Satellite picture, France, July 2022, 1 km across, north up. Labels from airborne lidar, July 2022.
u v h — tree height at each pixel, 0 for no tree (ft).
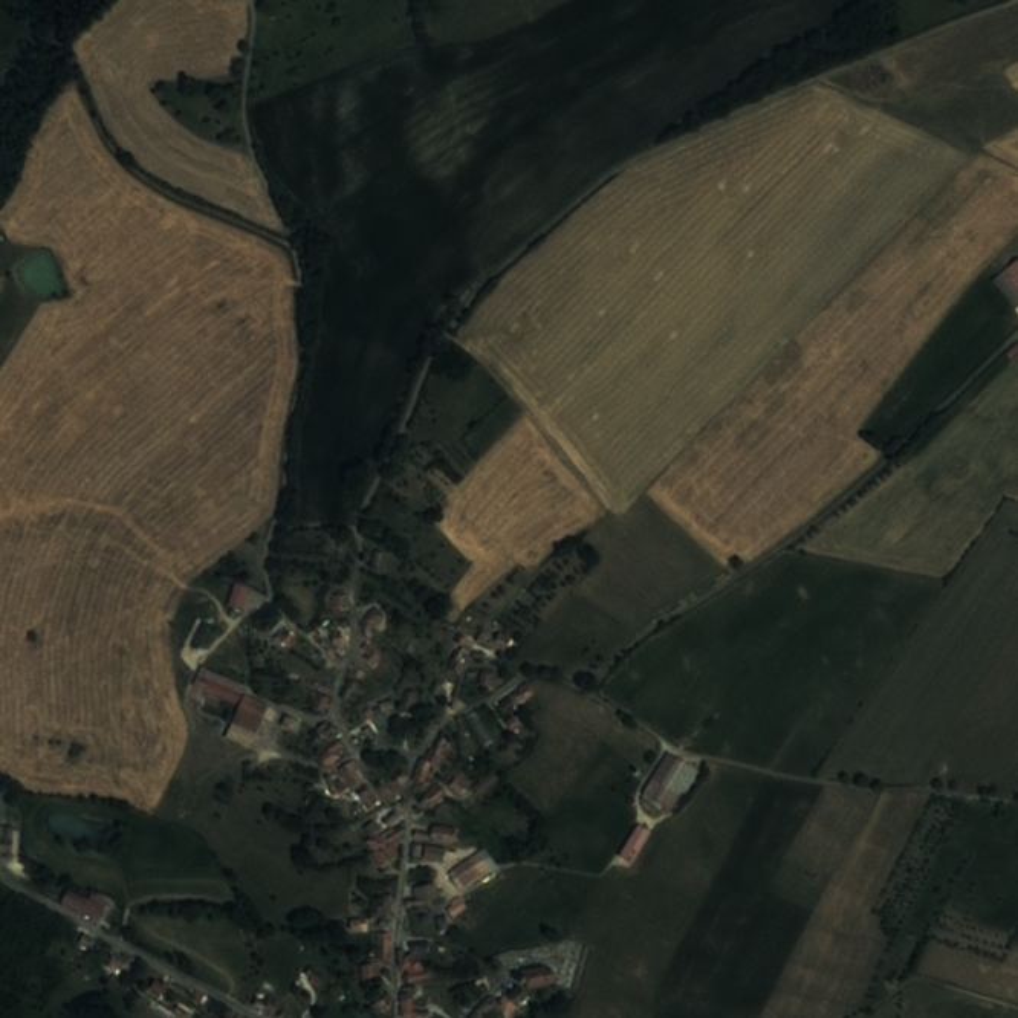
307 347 44
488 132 0
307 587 24
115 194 0
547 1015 52
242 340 0
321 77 0
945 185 0
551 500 0
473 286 0
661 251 0
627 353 0
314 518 0
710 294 0
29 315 0
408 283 0
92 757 0
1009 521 0
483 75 0
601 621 0
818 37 58
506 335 0
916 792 0
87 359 0
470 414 0
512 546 0
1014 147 0
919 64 0
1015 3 0
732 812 0
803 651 0
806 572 0
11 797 43
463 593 0
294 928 44
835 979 0
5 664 0
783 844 0
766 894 0
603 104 0
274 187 34
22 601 0
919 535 0
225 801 48
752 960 0
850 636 0
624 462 0
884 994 0
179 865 0
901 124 0
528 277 0
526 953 0
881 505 0
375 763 36
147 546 0
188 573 0
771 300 0
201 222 0
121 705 0
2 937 25
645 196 0
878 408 0
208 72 0
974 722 0
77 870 0
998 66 0
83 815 0
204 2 0
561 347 0
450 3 0
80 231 0
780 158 0
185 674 0
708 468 0
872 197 0
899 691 0
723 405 0
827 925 0
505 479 0
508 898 0
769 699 0
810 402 0
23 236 0
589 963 0
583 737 0
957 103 0
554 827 0
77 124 0
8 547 0
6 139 41
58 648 0
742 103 46
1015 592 0
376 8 0
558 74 0
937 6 0
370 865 41
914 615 0
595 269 0
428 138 0
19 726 0
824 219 0
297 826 45
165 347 0
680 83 0
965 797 0
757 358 0
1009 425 0
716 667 0
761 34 0
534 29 0
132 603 0
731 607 0
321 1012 42
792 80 45
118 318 0
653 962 0
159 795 0
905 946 0
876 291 0
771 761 0
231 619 0
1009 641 0
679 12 0
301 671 0
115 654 0
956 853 0
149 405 0
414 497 0
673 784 0
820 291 0
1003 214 0
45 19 23
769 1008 0
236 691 0
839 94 0
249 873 0
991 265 0
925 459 0
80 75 37
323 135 0
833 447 0
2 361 0
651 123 0
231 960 0
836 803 0
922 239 0
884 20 47
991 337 0
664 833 0
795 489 0
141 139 0
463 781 0
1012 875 0
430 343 49
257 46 0
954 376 0
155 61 0
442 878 0
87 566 0
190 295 0
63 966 0
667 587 0
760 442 0
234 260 0
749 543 0
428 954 0
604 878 0
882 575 0
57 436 0
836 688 0
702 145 0
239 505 0
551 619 0
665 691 0
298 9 0
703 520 0
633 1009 0
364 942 0
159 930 0
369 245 0
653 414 0
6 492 0
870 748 0
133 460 0
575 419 0
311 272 41
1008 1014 0
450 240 0
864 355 0
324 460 0
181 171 0
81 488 0
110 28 0
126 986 26
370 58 0
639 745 0
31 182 0
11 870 0
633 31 0
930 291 0
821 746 0
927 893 0
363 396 0
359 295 0
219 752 0
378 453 44
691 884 0
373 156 0
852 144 0
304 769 20
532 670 43
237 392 0
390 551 48
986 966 0
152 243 0
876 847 0
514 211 0
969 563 0
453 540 0
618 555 0
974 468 0
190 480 0
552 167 0
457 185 0
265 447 0
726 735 0
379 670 0
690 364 0
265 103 0
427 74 0
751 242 0
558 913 0
